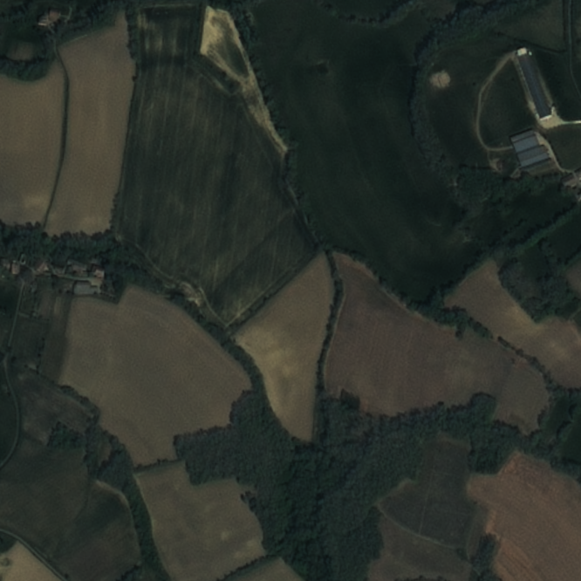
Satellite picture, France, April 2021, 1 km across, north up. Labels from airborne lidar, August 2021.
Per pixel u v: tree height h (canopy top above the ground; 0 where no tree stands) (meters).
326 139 0
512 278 20
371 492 16
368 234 0
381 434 10
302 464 19
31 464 0
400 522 0
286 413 0
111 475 22
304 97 0
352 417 19
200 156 0
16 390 0
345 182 0
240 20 20
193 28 0
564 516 0
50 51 16
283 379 0
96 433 13
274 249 0
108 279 17
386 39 0
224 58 0
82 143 0
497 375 0
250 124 0
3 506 0
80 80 0
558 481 0
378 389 0
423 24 0
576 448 0
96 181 0
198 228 0
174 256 0
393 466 14
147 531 9
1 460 9
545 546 0
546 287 12
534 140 0
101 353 0
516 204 0
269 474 27
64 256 16
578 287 0
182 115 0
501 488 0
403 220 0
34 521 0
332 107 0
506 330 0
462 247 0
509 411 0
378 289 0
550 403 9
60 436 7
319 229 11
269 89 7
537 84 0
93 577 0
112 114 0
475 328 17
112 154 0
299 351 0
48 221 0
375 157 0
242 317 0
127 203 0
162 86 0
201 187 0
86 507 0
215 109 0
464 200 11
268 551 11
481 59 0
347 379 0
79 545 0
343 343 0
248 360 20
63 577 0
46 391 0
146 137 0
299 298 0
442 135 0
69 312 0
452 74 0
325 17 0
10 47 0
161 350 0
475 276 0
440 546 0
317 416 0
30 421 0
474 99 0
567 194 12
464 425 19
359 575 16
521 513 0
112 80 0
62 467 0
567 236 0
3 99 0
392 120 0
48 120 0
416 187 0
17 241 18
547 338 0
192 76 0
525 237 0
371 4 0
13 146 0
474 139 0
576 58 0
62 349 0
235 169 0
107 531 0
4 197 0
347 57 0
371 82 0
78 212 0
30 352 0
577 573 0
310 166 0
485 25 14
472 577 0
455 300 0
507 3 11
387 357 0
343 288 15
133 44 16
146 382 0
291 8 0
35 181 0
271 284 0
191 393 0
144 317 0
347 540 14
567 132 0
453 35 14
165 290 15
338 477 9
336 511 18
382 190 0
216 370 0
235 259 0
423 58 18
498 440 20
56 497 0
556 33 0
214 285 0
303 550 15
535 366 18
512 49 0
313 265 0
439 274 0
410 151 0
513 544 0
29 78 11
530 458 11
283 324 0
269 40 0
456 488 0
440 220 0
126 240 0
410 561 0
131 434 0
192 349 0
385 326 0
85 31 15
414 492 0
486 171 11
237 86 0
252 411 18
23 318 0
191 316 11
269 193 0
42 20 0
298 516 19
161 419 0
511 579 0
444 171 14
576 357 0
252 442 19
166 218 0
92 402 14
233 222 0
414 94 13
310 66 0
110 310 0
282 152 0
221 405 0
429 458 0
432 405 0
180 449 16
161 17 0
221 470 17
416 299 0
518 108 0
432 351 0
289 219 0
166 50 0
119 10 20
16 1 0
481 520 0
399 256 0
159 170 0
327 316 0
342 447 15
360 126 0
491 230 0
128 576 10
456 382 0
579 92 0
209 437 17
